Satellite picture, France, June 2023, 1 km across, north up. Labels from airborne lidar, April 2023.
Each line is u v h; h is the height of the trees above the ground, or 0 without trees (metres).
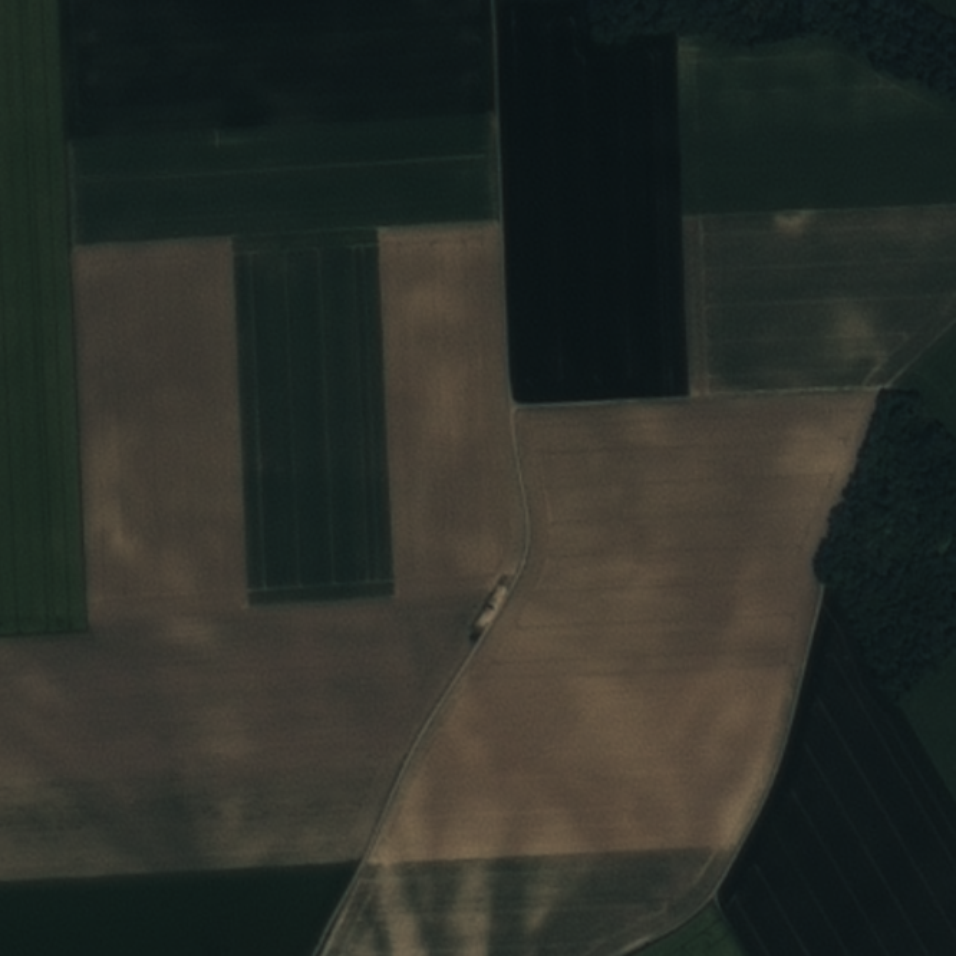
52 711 0
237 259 0
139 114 0
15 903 0
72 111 0
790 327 0
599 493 0
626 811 0
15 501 0
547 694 0
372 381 0
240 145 0
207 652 0
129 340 0
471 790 0
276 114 0
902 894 0
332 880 0
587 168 0
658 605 0
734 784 0
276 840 0
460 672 0
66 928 0
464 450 0
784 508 0
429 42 0
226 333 0
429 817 0
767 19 9
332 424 0
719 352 0
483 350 0
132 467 0
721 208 0
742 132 0
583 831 0
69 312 0
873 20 22
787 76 0
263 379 0
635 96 0
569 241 0
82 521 0
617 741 0
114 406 0
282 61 0
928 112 0
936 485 20
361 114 0
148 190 0
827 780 0
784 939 0
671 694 0
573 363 0
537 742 0
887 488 18
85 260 0
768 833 0
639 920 0
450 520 0
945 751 0
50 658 0
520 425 0
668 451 0
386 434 0
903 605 18
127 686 0
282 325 0
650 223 0
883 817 0
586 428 0
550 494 0
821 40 0
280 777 0
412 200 0
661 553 0
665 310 0
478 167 0
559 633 0
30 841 0
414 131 0
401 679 0
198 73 0
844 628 0
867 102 0
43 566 0
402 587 0
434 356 0
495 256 0
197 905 0
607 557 0
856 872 0
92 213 0
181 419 0
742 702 0
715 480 0
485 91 0
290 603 0
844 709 0
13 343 0
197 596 0
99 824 0
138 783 0
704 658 0
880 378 0
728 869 0
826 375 0
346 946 0
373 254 0
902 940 0
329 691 0
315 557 0
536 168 0
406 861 0
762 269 0
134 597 0
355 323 0
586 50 0
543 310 0
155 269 0
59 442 0
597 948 0
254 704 0
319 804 0
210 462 0
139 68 0
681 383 0
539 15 0
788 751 0
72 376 0
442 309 0
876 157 0
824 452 0
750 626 0
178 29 0
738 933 0
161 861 0
